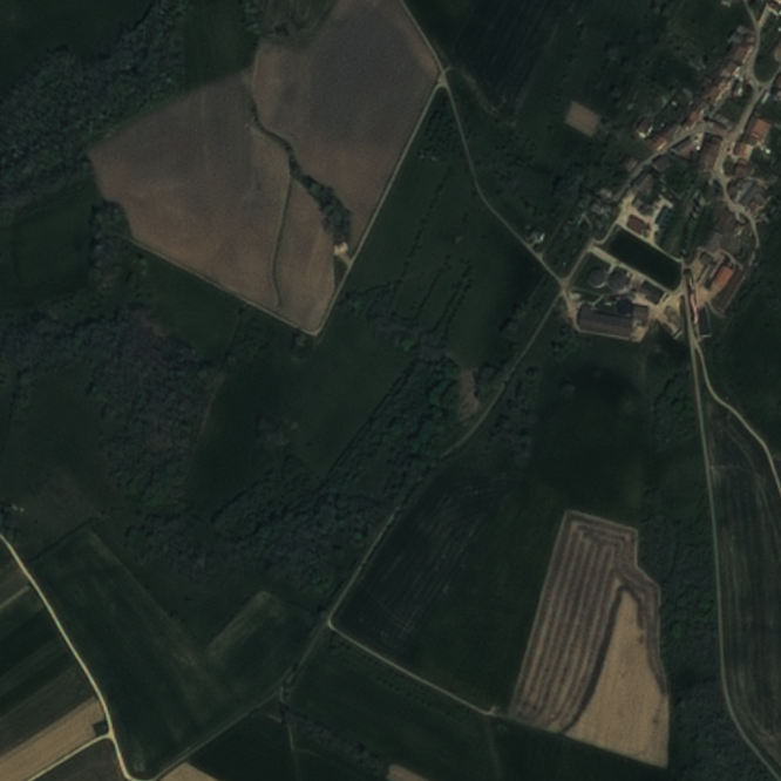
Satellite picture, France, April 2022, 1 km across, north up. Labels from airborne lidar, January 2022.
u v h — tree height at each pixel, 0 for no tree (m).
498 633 0
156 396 24
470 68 0
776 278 0
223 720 0
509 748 0
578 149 0
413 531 0
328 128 0
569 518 0
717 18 0
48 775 0
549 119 0
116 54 23
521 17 0
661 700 0
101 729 0
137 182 0
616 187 6
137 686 0
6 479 0
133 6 0
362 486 0
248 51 0
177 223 0
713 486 0
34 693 0
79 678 0
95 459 0
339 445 0
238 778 0
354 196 0
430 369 12
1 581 0
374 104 0
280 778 0
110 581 0
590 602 0
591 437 0
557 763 0
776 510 0
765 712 0
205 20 0
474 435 0
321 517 15
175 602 0
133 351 26
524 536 0
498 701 0
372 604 0
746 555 0
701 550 11
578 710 0
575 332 16
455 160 0
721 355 8
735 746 21
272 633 0
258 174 0
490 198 0
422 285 0
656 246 0
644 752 0
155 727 0
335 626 0
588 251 0
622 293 0
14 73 0
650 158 0
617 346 0
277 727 0
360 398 0
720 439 0
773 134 0
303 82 0
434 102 0
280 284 0
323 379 0
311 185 12
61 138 22
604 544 0
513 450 9
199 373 27
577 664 0
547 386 0
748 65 0
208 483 0
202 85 0
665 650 6
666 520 16
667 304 0
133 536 9
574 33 0
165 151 0
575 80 0
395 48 0
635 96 0
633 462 0
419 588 0
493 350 0
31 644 0
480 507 0
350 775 0
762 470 0
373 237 0
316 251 0
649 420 0
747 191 0
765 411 0
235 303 0
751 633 0
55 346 10
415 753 0
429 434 21
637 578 0
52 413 0
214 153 0
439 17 0
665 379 0
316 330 0
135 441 11
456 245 0
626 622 0
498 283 0
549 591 0
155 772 0
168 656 0
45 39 0
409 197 0
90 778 0
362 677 0
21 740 0
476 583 0
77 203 0
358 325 0
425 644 0
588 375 0
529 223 0
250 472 0
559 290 0
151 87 18
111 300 0
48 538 0
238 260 0
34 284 0
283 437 17
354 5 0
